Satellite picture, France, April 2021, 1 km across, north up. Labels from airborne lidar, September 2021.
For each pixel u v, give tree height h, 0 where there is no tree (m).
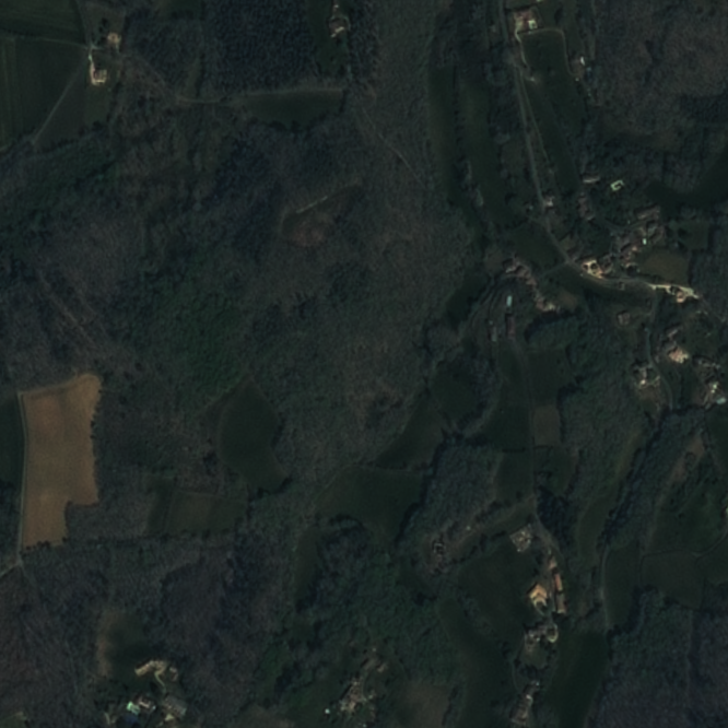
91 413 0
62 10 0
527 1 0
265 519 22
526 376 0
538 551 15
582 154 14
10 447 0
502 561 0
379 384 18
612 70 11
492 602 0
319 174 24
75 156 13
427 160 16
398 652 20
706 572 0
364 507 0
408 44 18
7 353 19
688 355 0
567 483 0
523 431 0
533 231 17
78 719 12
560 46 0
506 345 0
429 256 18
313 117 0
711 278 21
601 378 22
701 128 10
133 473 19
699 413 15
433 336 24
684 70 21
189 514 0
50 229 24
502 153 9
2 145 0
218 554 10
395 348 16
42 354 20
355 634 14
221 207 19
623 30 8
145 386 9
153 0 19
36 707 8
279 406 19
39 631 15
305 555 0
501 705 10
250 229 23
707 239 0
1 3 0
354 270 24
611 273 6
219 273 22
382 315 21
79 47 0
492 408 14
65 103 0
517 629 0
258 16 13
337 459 16
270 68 16
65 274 23
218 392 19
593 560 0
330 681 0
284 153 20
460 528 16
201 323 13
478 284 0
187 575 17
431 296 21
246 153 21
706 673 22
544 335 22
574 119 0
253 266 19
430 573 13
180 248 6
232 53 16
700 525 0
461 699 17
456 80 8
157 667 0
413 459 0
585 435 21
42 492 0
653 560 0
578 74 0
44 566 21
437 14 13
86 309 19
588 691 0
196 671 27
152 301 26
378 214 23
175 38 23
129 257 22
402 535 12
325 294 23
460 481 21
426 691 0
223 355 21
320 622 19
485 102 0
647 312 0
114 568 21
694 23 19
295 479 14
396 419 20
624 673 20
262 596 26
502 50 9
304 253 15
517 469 0
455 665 20
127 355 19
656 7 13
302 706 11
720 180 0
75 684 17
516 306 15
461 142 8
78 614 29
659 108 20
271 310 18
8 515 16
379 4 20
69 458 0
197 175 6
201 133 10
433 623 22
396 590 19
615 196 9
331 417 21
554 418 0
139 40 16
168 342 20
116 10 10
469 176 14
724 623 23
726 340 20
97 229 19
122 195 19
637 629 22
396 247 19
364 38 14
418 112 20
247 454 0
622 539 25
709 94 18
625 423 23
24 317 22
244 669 25
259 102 0
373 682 0
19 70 0
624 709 15
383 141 15
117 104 11
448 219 22
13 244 9
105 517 16
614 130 0
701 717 19
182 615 11
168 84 19
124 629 0
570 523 13
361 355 14
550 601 9
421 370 11
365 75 14
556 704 0
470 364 16
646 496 15
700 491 0
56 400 0
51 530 0
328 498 0
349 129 17
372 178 22
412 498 0
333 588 20
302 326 15
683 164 14
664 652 20
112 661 0
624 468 0
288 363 22
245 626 21
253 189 22
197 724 23
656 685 16
